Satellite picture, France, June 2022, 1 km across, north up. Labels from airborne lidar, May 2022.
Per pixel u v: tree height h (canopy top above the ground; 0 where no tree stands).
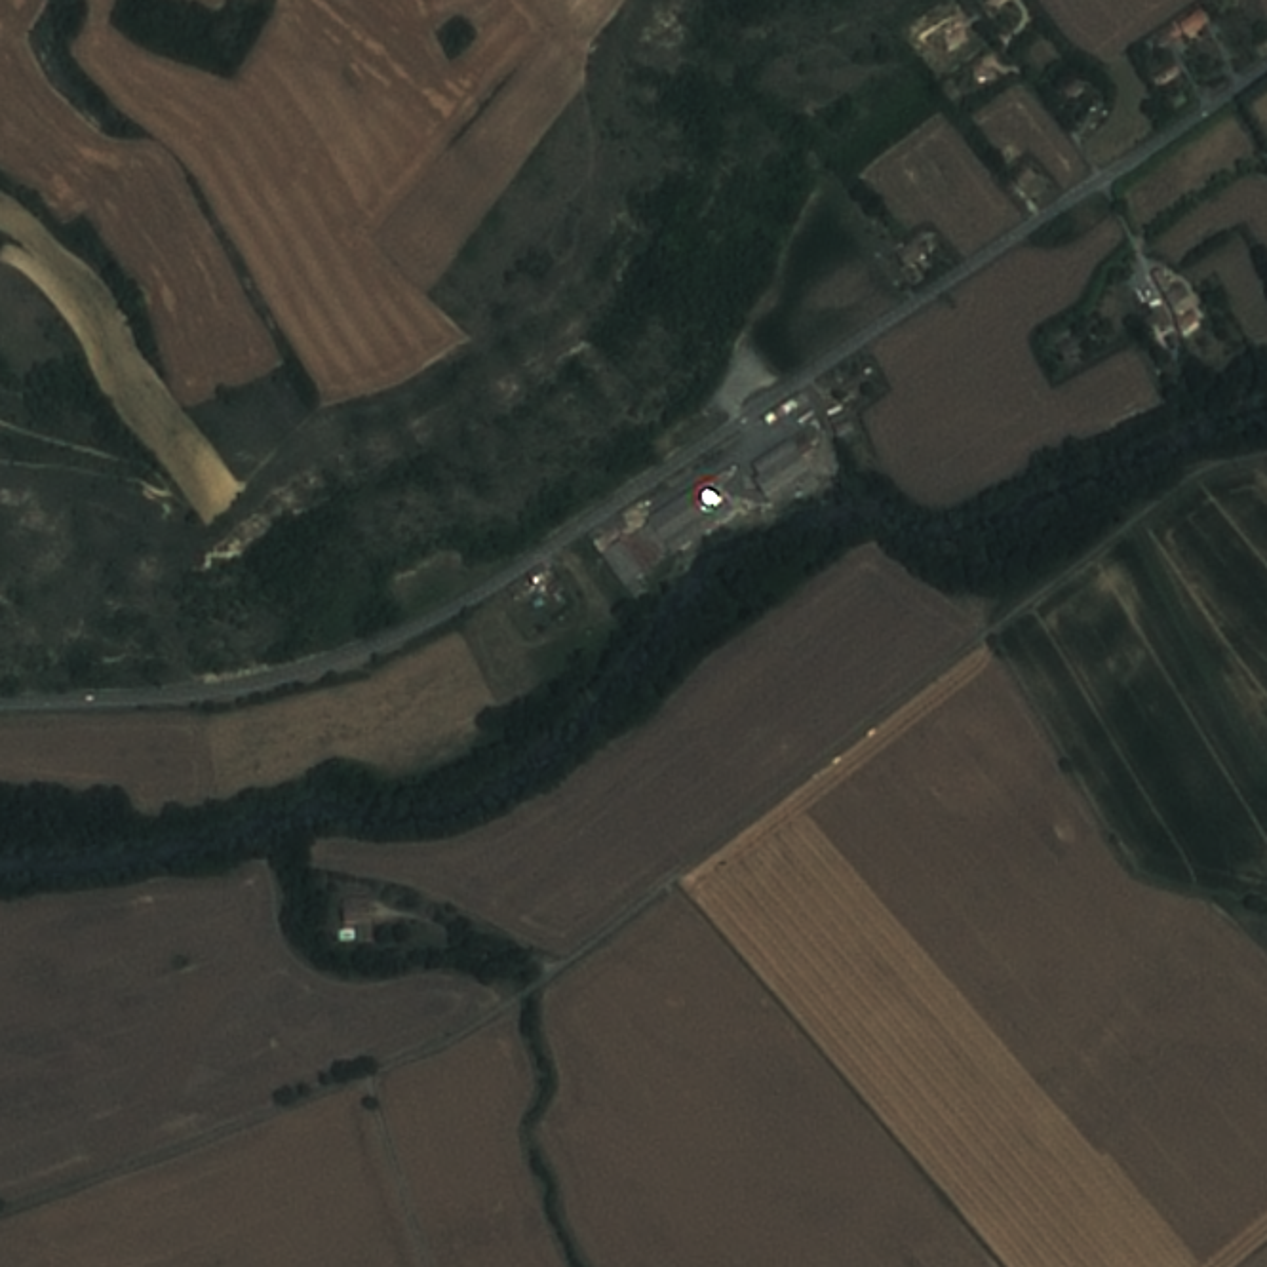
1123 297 0
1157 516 0
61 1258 0
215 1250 0
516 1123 0
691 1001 0
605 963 0
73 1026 0
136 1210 0
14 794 12
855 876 0
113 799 21
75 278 0
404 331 0
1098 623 0
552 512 8
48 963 0
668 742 0
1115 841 7
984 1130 0
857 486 29
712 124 14
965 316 0
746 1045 0
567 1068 0
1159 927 0
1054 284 0
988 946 0
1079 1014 0
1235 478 0
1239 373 20
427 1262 0
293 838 18
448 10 0
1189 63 6
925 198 0
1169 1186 0
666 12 0
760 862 0
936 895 0
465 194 0
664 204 19
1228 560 0
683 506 0
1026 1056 0
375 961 24
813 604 0
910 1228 0
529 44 0
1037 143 0
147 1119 0
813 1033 0
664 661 22
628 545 0
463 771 20
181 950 0
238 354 0
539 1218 0
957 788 0
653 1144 0
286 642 7
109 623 6
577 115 0
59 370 12
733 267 12
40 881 15
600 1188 0
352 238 0
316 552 8
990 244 0
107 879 12
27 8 0
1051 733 0
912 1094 0
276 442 0
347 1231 0
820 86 0
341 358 0
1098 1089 0
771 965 0
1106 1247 0
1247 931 0
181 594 7
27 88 0
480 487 6
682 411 13
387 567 13
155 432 0
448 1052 0
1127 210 8
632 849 0
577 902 0
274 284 0
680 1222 0
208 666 7
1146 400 0
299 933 13
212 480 0
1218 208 0
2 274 0
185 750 0
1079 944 0
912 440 0
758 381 0
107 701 0
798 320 0
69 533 0
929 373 0
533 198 0
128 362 0
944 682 0
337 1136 0
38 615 0
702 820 0
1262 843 0
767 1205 0
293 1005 0
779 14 7
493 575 0
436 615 0
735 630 13
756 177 8
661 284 16
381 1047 0
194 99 0
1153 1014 0
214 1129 0
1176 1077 0
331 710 0
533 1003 10
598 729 24
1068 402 0
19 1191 0
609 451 8
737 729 0
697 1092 0
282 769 0
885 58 11
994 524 14
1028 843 0
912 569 10
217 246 0
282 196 0
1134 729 0
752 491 0
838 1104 0
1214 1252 0
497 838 0
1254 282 0
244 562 6
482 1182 0
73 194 0
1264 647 0
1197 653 0
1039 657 0
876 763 0
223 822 14
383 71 0
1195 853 0
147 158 0
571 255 0
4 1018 0
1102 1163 0
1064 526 17
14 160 0
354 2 0
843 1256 0
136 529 0
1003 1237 0
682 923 0
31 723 0
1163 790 0
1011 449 0
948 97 6
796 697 0
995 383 0
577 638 0
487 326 0
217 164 0
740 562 25
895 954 0
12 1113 0
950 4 0
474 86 0
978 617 0
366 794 14
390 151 0
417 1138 0
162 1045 0
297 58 0
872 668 0
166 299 0
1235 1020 0
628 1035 0
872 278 0
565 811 0
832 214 0
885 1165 0
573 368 11
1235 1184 0
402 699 0
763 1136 0
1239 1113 0
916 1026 0
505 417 7
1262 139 15
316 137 0
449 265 0
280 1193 0
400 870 0
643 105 8
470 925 11
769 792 0
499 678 0
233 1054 0
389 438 0
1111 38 0
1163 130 8
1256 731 0
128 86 0
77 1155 0
